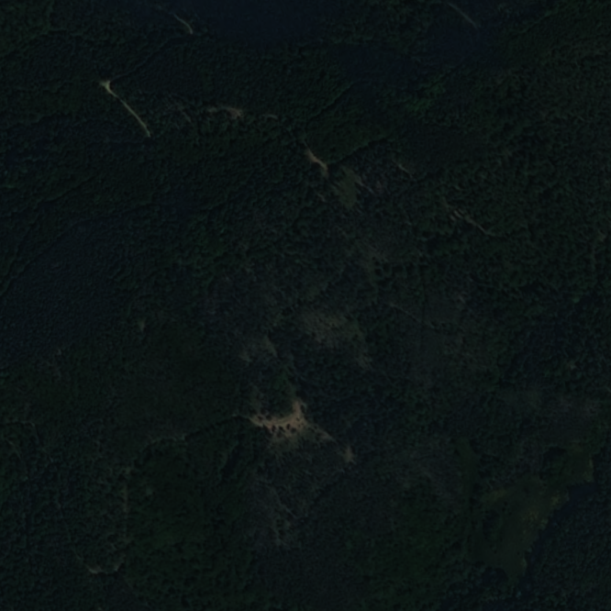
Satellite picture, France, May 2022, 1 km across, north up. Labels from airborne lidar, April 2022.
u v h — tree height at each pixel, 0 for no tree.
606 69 17
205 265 17
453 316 19
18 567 20
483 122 17
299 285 33
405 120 17
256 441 16
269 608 25
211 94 16
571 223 30
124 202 24
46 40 16
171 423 21
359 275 35
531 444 22
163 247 32
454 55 33
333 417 40
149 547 13
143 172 20
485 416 26
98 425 13
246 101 16
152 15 24
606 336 10
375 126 15
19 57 14
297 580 28
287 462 23
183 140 13
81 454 19
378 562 15
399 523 15
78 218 17
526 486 0
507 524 0
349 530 23
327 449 18
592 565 21
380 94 19
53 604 21
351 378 26
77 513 16
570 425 30
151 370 23
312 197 20
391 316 24
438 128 17
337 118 15
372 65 18
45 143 35
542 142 40
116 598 21
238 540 25
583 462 0
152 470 12
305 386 30
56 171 32
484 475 14
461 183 25
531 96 31
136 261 26
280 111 13
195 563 20
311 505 27
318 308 26
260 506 18
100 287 20
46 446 17
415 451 23
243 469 21
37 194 27
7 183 27
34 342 19
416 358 23
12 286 19
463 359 19
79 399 20
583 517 26
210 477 19
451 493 27
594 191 19
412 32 23
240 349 29
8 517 20
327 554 23
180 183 22
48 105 14
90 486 16
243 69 18
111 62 18
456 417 32
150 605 9
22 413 17
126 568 11
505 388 15
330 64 13
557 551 28
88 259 19
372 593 20
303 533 22
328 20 33
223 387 27
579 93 22
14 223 22
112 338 17
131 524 15
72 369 22
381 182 26
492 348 23
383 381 33
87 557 20
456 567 21
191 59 17
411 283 21
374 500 24
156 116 14
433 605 8
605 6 7
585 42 7
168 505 12
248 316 32
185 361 16
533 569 24
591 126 27
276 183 20
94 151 24
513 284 9
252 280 27
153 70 20
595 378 26
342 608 21
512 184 18
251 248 16
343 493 26
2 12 33
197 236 26
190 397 20
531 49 8
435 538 17
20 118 27
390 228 24
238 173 22
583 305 18
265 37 30
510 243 25
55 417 21
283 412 20
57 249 21
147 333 19
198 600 16
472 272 32
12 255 20
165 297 22
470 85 12
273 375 24
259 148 21
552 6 21
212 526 9
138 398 16
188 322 26
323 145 18
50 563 20
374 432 37
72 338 22
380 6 31
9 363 19
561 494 0
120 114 14
